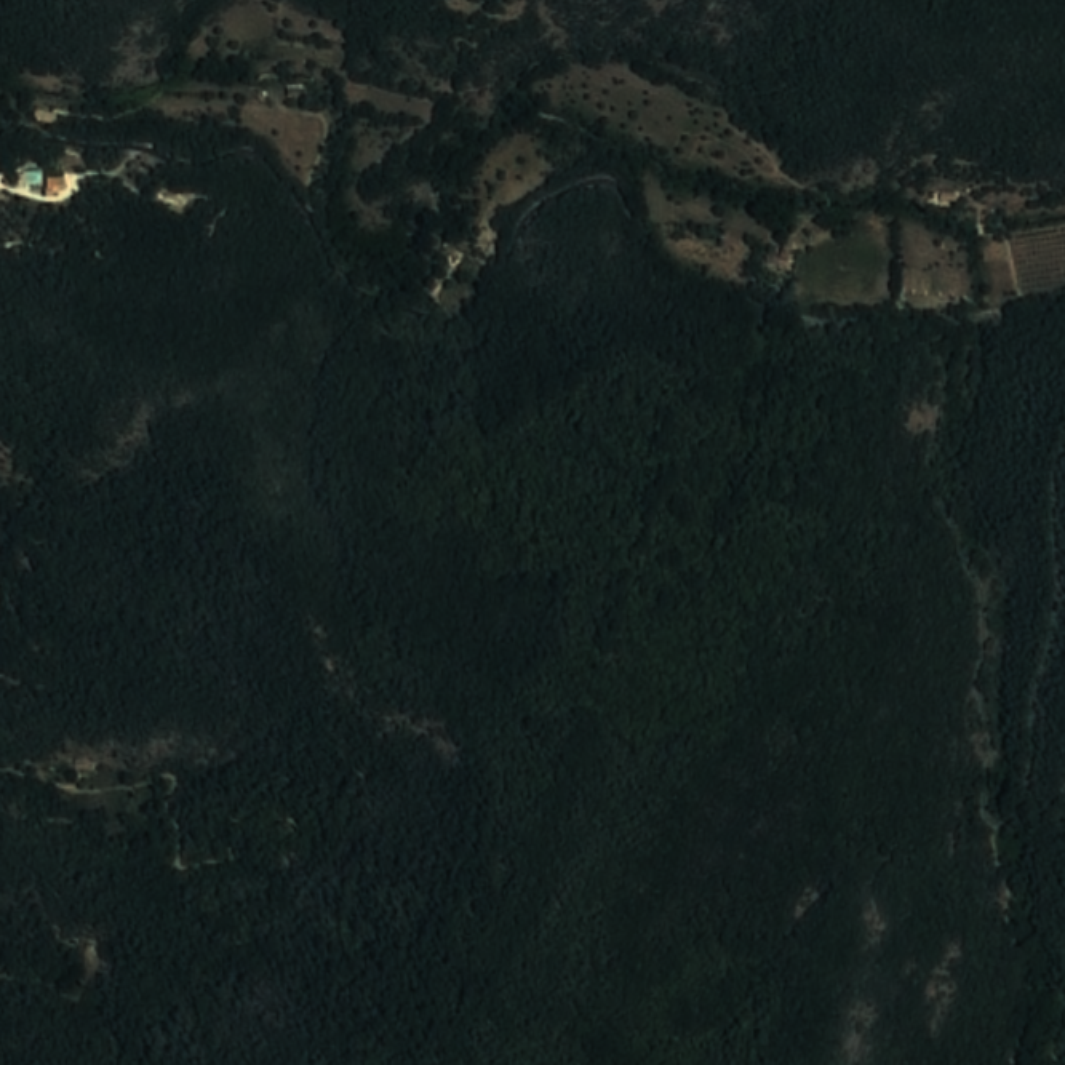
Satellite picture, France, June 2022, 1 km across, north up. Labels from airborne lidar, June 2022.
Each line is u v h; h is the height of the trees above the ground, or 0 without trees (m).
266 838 10
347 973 17
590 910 9
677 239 8
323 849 16
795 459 16
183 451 6
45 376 12
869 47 12
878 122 12
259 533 8
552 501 9
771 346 8
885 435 8
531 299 10
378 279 15
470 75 7
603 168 10
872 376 7
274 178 11
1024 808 13
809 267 0
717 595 11
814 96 15
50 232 9
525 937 15
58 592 12
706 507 9
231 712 6
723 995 7
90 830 15
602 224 6
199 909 9
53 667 7
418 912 9
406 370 14
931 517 9
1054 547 10
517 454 9
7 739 10
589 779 11
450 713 12
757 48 12
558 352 12
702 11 7
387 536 10
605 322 17
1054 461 13
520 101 29
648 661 8
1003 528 14
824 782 11
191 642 11
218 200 8
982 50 6
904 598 13
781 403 12
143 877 8
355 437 10
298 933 7
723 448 9
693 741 16
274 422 8
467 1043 13
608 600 9
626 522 10
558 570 7
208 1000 13
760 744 10
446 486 9
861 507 9
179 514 9
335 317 7
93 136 15
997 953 12
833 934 9
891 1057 11
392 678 6
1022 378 11
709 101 8
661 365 6
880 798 12
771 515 11
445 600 10
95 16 6
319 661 6
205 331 5
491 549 14
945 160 10
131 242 13
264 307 13
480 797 12
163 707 7
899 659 10
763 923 9
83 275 10
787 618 12
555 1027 15
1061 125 6
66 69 9
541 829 12
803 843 13
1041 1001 21
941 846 12
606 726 6
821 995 9
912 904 7
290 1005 9
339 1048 9
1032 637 11
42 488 16
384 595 12
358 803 15
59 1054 9
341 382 8
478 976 13
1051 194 10
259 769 15
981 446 11
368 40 11
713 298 14
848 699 12
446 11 13
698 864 6
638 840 8
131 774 13
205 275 6
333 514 7
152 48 7
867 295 0
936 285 0
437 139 8
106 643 16
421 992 16
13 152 13
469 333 10
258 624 8
